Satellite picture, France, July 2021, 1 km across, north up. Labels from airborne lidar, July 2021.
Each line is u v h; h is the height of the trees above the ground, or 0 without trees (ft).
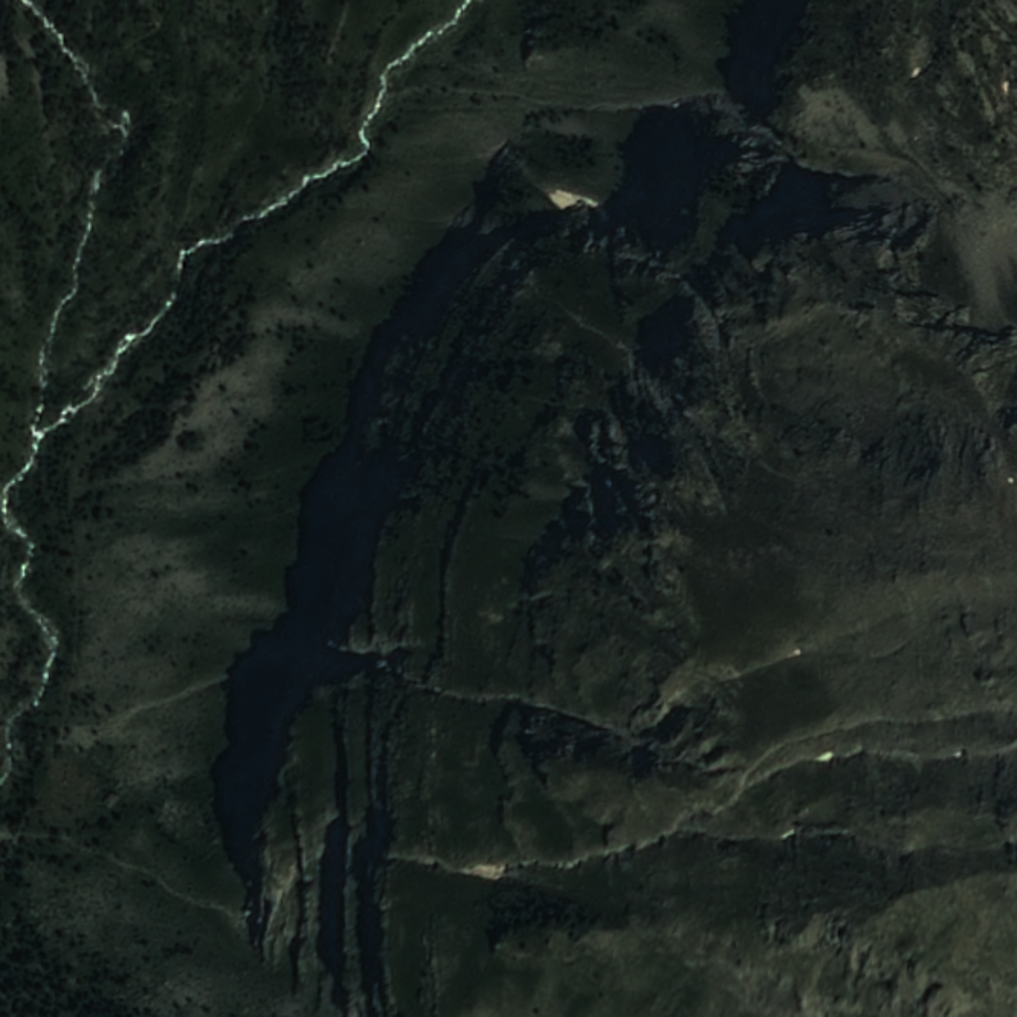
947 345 0
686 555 0
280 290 0
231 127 0
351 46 0
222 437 0
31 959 61
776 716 0
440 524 0
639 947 0
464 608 0
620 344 0
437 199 0
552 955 0
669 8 0
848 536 0
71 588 0
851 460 0
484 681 0
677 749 0
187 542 0
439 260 0
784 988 0
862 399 0
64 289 26
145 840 0
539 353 0
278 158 0
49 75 53
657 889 0
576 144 20
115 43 20
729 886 0
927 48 0
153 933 0
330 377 0
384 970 0
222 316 35
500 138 0
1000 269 0
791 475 0
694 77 0
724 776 0
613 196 0
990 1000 0
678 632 0
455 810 0
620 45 0
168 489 0
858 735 0
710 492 0
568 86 0
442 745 0
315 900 0
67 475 18
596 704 0
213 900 0
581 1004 0
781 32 25
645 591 0
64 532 35
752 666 0
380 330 0
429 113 0
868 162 0
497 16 0
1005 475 0
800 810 0
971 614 0
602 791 0
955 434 0
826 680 0
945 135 0
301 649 0
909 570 0
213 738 0
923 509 0
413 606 0
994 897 0
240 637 0
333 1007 0
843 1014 0
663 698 0
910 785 0
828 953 0
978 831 0
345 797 0
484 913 0
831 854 0
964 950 0
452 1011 0
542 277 0
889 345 0
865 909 0
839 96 0
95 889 0
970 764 0
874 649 0
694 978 0
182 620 0
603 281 0
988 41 0
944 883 0
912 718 0
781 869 0
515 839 0
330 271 0
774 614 0
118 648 0
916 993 0
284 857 0
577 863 0
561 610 0
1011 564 0
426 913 0
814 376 0
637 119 0
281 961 0
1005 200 0
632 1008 0
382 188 0
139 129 23
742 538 0
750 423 0
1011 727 0
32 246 28
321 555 0
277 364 0
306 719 0
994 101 0
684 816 0
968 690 0
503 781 0
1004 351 0
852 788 0
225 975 0
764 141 0
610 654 0
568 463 0
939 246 0
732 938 0
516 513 0
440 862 0
